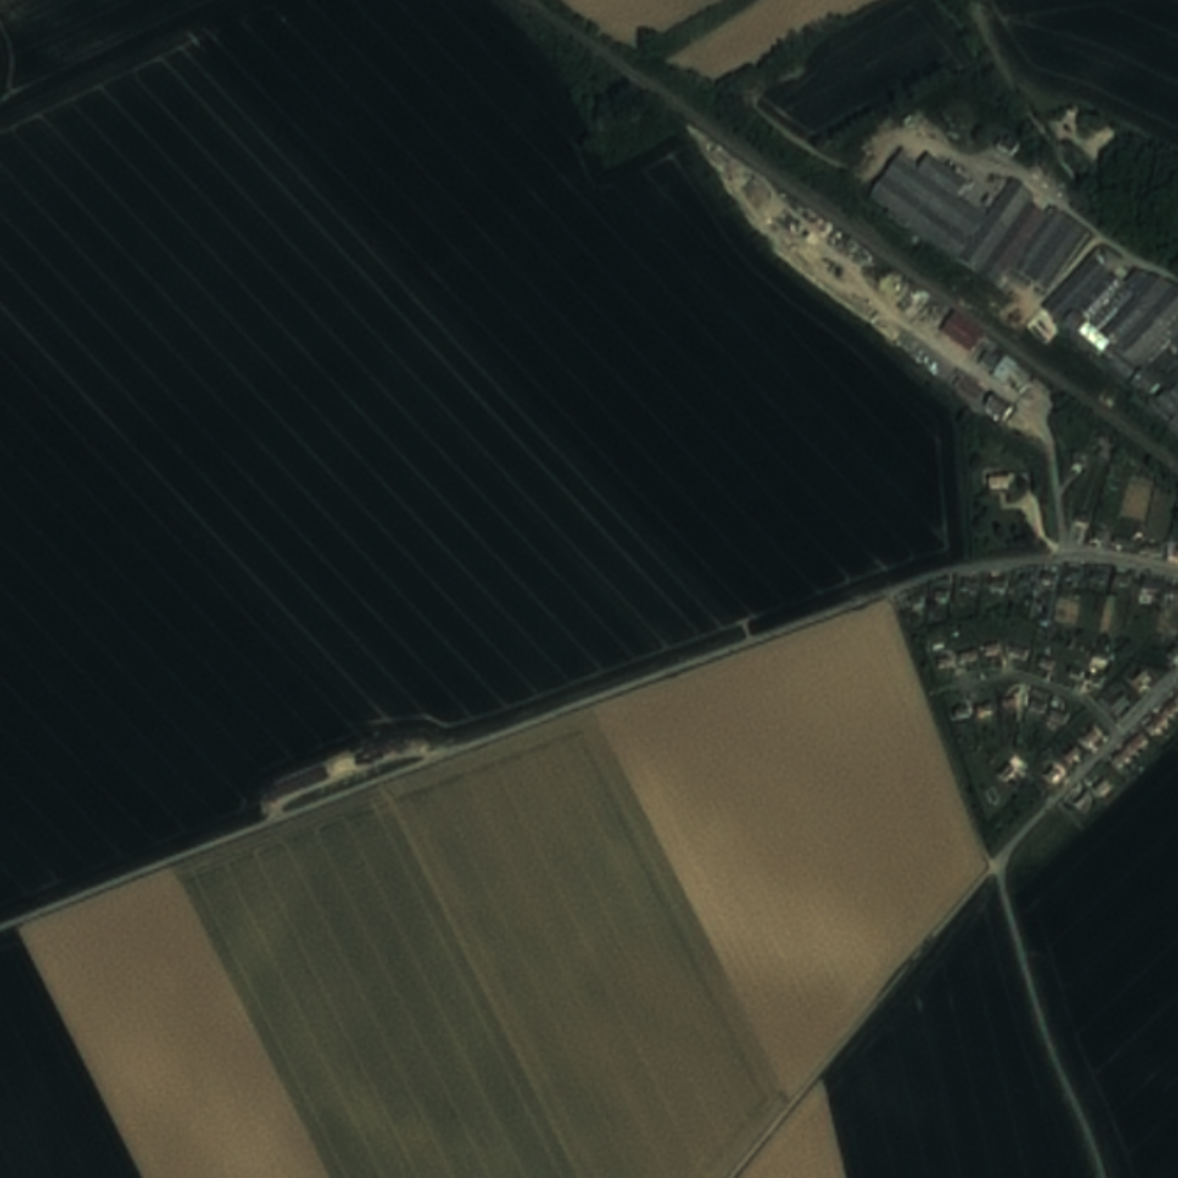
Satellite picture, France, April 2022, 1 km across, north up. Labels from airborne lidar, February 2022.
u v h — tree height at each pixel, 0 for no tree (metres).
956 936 0
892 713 0
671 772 0
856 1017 0
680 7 0
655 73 11
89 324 0
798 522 0
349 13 0
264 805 0
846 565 0
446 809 0
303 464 0
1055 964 0
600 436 0
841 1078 0
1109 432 14
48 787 0
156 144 0
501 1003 0
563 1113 0
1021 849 0
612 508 0
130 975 0
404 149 0
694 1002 0
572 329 0
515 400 0
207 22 0
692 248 0
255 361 0
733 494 0
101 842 0
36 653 0
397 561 0
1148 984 0
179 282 0
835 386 0
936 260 12
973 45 16
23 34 0
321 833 0
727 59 0
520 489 0
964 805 0
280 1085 0
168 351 0
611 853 0
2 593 0
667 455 0
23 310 0
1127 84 0
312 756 0
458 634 0
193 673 0
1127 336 0
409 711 0
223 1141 0
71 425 0
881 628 0
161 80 0
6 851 0
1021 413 0
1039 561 0
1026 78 0
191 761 0
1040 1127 0
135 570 0
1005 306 0
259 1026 0
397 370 0
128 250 0
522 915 0
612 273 0
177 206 0
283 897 0
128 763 0
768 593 0
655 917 0
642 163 0
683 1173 0
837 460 0
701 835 0
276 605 0
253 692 0
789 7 0
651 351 0
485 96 0
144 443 0
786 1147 0
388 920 0
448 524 0
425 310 0
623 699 0
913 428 0
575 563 0
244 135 0
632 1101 0
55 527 0
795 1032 0
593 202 0
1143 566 0
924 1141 0
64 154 0
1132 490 0
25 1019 0
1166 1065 0
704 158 11
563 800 0
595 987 0
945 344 0
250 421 0
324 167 0
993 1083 0
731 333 0
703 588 0
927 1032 0
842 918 0
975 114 0
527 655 0
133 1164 0
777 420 0
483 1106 0
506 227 0
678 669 0
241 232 0
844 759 0
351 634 0
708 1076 0
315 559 0
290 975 0
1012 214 0
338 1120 0
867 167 0
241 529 0
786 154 8
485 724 0
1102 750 0
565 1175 0
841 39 0
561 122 0
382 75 0
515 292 0
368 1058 0
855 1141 0
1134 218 18
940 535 0
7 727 0
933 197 0
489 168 0
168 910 0
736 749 0
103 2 0
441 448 0
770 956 0
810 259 0
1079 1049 0
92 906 0
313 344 0
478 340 0
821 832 0
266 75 0
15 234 0
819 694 0
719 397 0
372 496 0
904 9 0
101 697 0
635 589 0
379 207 0
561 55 15
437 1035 0
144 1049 0
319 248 0
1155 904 0
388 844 0
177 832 0
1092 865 0
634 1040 0
